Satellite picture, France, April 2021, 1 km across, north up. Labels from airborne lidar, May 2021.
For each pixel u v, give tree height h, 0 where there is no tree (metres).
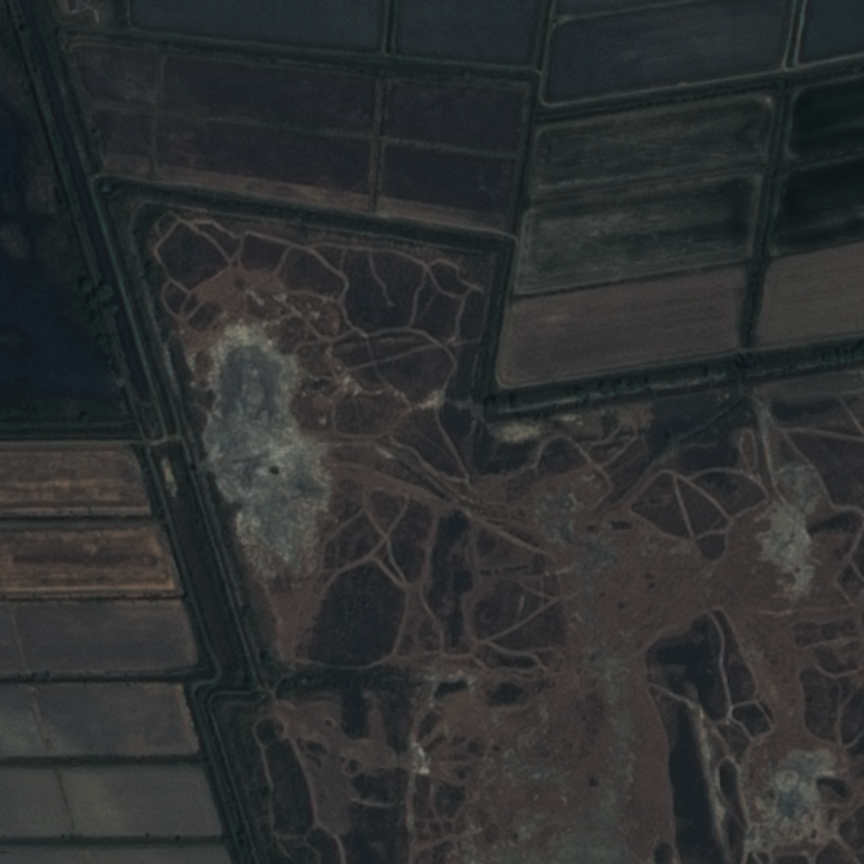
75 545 0
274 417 0
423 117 0
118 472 0
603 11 0
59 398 0
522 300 0
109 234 0
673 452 0
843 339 0
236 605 7
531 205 0
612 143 0
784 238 0
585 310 0
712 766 0
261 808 7
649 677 0
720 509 0
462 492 0
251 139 0
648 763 0
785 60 0
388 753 0
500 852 0
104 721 0
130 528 0
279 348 0
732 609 0
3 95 0
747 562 0
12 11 7
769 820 0
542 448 0
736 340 0
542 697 0
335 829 0
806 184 0
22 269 0
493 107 0
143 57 0
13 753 0
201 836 0
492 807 0
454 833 0
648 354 0
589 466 0
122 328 0
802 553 0
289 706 0
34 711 0
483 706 0
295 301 0
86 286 14
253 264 0
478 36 0
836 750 0
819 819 0
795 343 0
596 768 0
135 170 0
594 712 0
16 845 0
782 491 0
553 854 0
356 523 0
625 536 0
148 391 0
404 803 0
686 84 0
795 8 0
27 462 0
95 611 0
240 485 0
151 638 0
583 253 0
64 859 0
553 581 0
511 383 0
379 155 0
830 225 0
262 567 0
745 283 0
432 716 0
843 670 0
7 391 0
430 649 0
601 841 0
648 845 0
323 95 0
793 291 0
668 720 0
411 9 0
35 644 0
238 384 0
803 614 0
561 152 0
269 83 0
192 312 0
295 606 0
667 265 0
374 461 0
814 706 0
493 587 0
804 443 0
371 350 0
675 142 0
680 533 0
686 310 0
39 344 0
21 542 0
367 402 0
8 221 0
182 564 0
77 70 0
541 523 0
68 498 0
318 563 0
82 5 0
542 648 0
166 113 0
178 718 0
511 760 0
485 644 0
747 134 0
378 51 0
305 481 0
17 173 0
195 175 0
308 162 0
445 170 0
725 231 0
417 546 0
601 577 0
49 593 0
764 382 6
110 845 0
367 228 6
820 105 0
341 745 0
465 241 6
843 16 0
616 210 0
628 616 0
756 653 0
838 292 0
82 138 0
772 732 0
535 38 0
